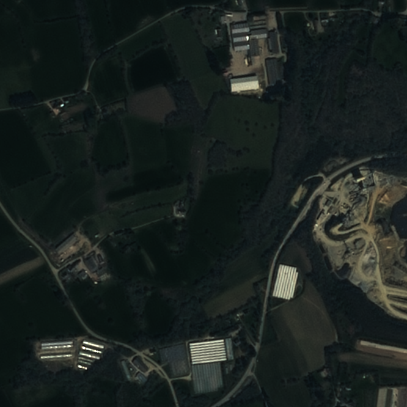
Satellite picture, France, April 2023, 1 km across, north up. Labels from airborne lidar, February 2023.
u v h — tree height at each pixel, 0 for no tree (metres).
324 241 0
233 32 0
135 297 5
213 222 0
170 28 0
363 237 0
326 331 0
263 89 0
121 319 0
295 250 0
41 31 0
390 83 12
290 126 17
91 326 0
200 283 10
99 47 0
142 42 0
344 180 0
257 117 0
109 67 0
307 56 16
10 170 0
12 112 0
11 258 0
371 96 7
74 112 0
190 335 11
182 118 15
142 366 0
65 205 0
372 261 0
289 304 0
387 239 0
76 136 0
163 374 0
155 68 0
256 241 15
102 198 0
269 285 0
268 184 10
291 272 0
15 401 0
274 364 0
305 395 0
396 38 0
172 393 0
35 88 0
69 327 0
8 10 5
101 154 0
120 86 0
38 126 0
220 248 9
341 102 0
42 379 12
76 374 14
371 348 0
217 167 12
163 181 0
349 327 0
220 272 17
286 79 19
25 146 0
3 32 0
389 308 0
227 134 0
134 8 0
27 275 0
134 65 0
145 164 0
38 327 0
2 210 0
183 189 0
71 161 0
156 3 0
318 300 0
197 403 9
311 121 11
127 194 0
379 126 15
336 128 15
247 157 0
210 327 7
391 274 0
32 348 8
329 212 0
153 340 12
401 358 0
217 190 0
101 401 0
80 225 0
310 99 10
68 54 0
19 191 0
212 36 0
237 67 0
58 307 0
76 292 0
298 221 0
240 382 0
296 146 16
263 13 8
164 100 0
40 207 0
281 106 15
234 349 11
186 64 0
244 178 0
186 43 0
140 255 0
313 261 11
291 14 0
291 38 16
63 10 0
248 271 0
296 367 0
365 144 19
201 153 0
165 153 0
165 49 0
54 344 0
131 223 0
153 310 0
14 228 0
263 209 8
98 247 0
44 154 0
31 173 0
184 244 8
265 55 0
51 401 0
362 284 0
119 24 0
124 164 11
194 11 12
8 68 0
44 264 0
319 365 0
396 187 0
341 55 13
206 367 0
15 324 0
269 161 0
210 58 23
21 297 10
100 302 22
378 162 11
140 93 0
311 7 0
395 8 0
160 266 0
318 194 0
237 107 0
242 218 12
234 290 0
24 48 6
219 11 8
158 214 0
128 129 0
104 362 14
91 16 0
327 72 8
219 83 0
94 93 0
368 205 0
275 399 0
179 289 0
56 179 14
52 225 0
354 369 0
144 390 10
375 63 12
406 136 15
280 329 0
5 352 0
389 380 0
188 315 12
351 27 10
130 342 7
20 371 12
